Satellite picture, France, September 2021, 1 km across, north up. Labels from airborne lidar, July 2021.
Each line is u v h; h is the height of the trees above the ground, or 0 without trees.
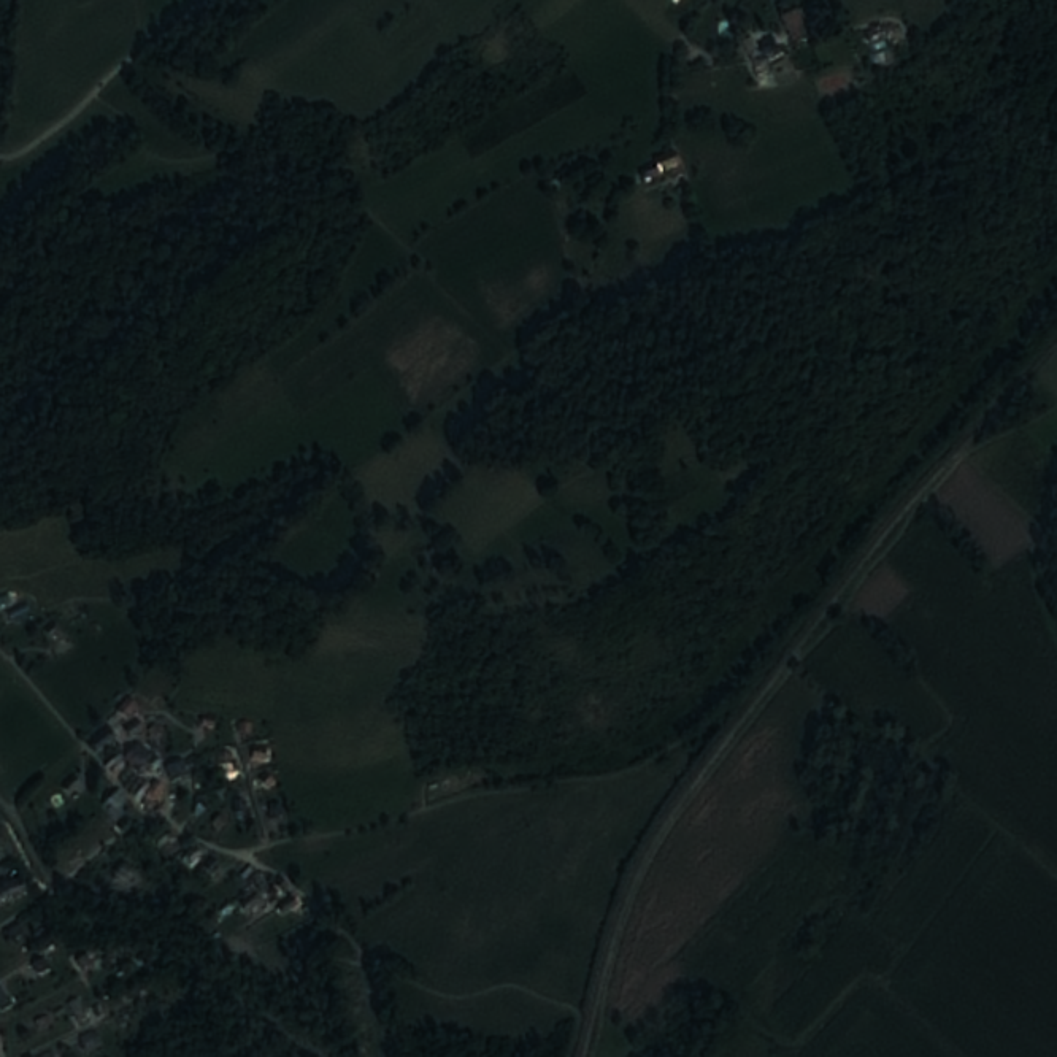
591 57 0
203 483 0
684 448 0
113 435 15
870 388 21
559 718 8
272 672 0
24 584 0
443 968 0
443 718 18
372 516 14
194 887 0
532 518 0
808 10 6
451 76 17
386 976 25
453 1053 21
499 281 0
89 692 0
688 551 28
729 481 0
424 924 0
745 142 16
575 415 16
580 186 9
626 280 0
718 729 10
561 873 0
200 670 0
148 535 18
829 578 22
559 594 10
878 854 6
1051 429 0
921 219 22
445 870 0
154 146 0
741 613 17
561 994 0
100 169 19
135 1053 11
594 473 12
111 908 18
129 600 31
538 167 13
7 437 31
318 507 23
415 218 0
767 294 18
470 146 0
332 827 0
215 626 28
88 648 0
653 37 0
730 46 14
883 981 0
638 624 16
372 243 0
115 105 0
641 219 0
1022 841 0
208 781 7
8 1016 0
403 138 16
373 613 0
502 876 0
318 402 0
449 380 0
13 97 17
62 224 21
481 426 17
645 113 0
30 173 0
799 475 17
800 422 24
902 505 0
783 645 23
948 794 18
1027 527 0
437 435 0
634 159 0
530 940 0
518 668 18
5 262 25
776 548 14
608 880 0
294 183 21
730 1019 23
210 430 0
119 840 8
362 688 0
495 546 0
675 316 19
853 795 15
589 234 18
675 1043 8
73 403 25
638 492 16
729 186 0
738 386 22
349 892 0
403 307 0
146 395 20
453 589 0
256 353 10
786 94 0
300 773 0
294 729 0
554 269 0
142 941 25
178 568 0
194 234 24
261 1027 23
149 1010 6
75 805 0
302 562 0
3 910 0
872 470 24
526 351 17
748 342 18
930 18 0
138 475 16
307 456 9
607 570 0
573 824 0
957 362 30
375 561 24
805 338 18
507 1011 0
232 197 22
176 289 23
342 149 13
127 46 0
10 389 14
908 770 25
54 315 13
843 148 18
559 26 0
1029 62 26
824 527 27
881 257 28
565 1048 7
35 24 0
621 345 24
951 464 0
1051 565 20
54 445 16
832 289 24
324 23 0
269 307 17
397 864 0
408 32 0
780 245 21
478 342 0
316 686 0
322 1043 11
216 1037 16
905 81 12
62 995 0
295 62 0
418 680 18
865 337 17
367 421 0
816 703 0
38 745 0
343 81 0
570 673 7
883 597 0
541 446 16
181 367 17
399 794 0
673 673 13
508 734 16
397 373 0
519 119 0
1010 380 20
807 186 0
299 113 19
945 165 10
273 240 20
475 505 0
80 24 0
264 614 26
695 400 18
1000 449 0
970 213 22
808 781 16
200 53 19
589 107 0
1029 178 26
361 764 0
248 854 0
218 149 11
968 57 8
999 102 22
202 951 9
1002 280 12
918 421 28
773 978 0
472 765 17
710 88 0
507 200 0
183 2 0
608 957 0
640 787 0
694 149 0
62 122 0
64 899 16
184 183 12
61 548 0
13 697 0
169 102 8
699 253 19
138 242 29
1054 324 21
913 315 24
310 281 22
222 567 19
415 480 0
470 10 0
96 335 31
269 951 0
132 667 0
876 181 17
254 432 0
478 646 18
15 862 7
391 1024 21
